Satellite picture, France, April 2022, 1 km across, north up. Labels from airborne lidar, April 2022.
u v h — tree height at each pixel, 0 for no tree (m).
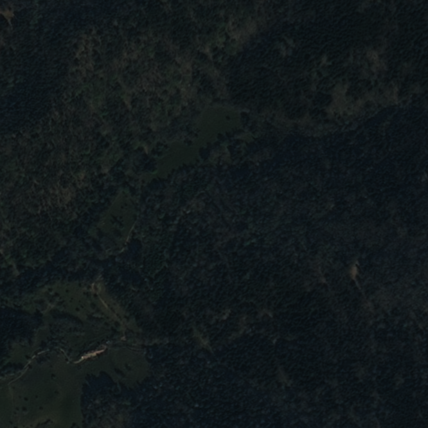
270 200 26
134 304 24
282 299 19
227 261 18
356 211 29
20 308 16
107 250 27
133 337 11
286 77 12
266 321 19
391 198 26
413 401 18
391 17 23
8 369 10
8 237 26
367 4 23
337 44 24
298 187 30
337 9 19
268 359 24
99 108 28
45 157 25
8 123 21
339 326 22
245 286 28
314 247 25
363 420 20
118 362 0
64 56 12
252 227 27
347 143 35
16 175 21
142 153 29
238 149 22
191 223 11
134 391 0
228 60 29
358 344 27
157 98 14
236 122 0
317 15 20
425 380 25
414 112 32
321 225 22
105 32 26
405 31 22
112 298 14
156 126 8
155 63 26
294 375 17
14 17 0
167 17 29
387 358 18
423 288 30
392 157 26
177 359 35
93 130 25
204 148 0
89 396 14
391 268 25
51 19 20
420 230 26
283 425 26
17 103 17
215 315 13
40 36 19
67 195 12
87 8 18
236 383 34
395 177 32
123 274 11
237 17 23
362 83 24
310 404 22
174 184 10
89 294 8
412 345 16
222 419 26
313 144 22
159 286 12
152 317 25
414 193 27
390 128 18
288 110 21
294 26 21
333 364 30
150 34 20
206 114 0
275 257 23
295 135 14
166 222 10
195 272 27
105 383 16
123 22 15
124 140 19
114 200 23
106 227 0
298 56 25
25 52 21
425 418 19
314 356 18
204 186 12
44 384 0
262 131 12
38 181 22
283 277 21
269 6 26
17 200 25
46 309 26
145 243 11
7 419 0
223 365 14
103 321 10
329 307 22
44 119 8
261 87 27
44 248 22
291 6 25
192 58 15
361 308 26
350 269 20
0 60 22
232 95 16
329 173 30
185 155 0
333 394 29
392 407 15
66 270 11
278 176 32
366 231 27
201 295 24
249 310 26
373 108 25
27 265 17
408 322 20
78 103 21
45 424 9
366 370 15
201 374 34
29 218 26
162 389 18
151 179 0
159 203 27
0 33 24
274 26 17
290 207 29
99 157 20
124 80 22
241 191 13
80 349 0
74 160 23
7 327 21
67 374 0
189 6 15
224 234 19
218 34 16
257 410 23
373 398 9
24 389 0
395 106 17
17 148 18
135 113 11
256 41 16
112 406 15
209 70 27
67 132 27
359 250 21
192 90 27
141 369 0
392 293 24
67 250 28
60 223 25
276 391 10
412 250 26
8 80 20
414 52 28
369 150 24
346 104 22
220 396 35
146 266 14
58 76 19
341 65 22
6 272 24
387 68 20
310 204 26
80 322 22
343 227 28
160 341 20
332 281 19
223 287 23
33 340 21
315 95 19
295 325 16
